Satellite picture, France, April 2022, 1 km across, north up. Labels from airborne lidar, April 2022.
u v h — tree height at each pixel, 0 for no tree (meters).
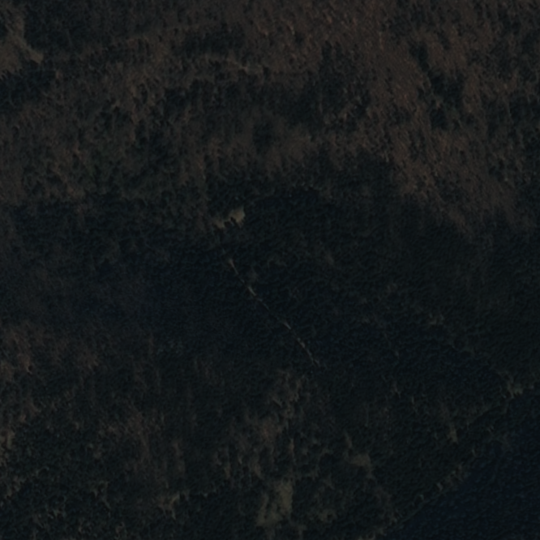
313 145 22
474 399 18
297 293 33
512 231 28
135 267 21
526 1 24
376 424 27
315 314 28
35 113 29
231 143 27
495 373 12
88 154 30
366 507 29
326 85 24
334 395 28
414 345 28
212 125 28
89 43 16
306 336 25
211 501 21
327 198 30
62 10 23
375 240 31
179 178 35
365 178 18
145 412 29
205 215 27
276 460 26
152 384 27
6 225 20
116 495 32
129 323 22
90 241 26
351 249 27
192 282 25
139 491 30
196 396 22
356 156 21
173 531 29
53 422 22
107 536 35
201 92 17
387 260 26
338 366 27
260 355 20
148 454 31
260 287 18
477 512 36
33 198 21
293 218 32
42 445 27
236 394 24
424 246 28
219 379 23
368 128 22
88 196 28
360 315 31
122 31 16
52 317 20
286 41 11
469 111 24
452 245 19
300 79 24
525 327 23
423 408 30
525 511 26
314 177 26
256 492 23
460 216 24
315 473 10
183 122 31
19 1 20
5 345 11
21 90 20
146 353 25
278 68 12
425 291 29
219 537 33
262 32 12
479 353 27
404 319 30
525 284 27
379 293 28
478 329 35
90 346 22
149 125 21
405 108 25
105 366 22
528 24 22
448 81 25
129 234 34
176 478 29
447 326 18
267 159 27
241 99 28
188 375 22
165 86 15
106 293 27
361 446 24
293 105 26
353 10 30
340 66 25
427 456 19
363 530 28
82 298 22
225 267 30
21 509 31
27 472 6
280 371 32
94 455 30
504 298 18
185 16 18
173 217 28
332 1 13
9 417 28
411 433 32
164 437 28
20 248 27
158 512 24
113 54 17
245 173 30
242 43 21
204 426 26
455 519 33
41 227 26
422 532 27
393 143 23
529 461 28
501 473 24
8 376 14
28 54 14
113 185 34
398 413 29
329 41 10
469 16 25
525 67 28
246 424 28
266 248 32
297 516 17
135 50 21
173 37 17
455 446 15
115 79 22
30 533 29
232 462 20
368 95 24
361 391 26
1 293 19
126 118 20
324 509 10
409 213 26
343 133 17
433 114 26
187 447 28
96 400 25
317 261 23
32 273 19
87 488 30
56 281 25
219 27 20
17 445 14
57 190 17
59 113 30
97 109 33
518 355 28
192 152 26
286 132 24
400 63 28
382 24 21
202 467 27
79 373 30
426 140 23
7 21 18
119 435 28
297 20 30
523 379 13
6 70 0
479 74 22
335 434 31
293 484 7
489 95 24
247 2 16
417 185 19
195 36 19
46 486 21
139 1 19
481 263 19
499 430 26
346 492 25
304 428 27
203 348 24
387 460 33
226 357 25
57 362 25
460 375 10
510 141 27
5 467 6
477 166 29
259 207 32
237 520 23
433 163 25
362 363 32
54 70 18
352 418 26
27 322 19
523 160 28
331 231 26
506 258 24
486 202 26
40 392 24
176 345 24
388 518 18
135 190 26
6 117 17
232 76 19
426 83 24
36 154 28
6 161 33
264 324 24
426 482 22
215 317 22
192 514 29
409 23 24
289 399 17
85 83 27
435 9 24
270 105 24
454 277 26
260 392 19
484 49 29
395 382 25
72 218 29
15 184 33
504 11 27
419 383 33
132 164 34
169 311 27
